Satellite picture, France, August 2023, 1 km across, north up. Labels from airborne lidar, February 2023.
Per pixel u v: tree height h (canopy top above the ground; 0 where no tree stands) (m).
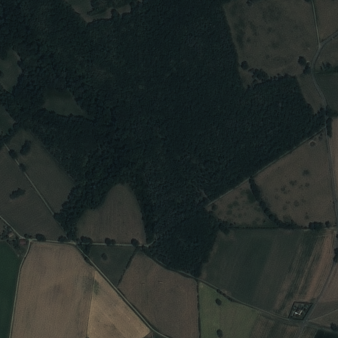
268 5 0
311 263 0
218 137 17
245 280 0
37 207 0
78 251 0
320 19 0
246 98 20
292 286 0
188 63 16
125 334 0
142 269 0
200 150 21
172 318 0
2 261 0
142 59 19
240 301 0
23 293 0
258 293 0
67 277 0
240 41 0
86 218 0
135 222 0
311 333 0
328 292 0
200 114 23
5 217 0
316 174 0
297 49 0
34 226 0
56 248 0
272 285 0
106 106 32
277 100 13
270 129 16
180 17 19
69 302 0
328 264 0
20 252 0
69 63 23
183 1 24
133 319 0
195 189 19
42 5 17
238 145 23
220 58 18
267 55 0
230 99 20
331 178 0
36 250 0
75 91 31
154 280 0
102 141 24
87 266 0
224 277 0
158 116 21
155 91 21
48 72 27
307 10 0
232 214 0
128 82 23
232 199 0
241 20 0
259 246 0
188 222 20
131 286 0
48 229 0
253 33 0
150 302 0
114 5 17
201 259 16
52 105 0
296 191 0
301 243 0
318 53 0
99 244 0
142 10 20
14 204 0
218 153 20
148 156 25
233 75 17
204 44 19
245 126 20
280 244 0
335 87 0
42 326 0
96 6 22
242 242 0
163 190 23
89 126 24
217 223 18
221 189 20
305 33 0
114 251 0
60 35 19
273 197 0
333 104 0
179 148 19
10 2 28
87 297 0
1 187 0
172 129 23
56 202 0
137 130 22
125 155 31
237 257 0
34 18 28
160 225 22
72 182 0
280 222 11
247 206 0
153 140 24
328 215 0
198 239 20
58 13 17
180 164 24
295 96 15
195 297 0
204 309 0
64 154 20
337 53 0
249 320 0
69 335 0
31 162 0
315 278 0
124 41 21
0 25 25
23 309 0
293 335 0
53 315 0
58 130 21
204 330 0
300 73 0
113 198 0
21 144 0
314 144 0
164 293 0
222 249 0
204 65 17
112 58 22
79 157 21
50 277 0
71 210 21
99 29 20
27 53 27
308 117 16
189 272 12
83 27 23
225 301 0
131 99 22
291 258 0
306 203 0
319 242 0
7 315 0
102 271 0
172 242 20
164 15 17
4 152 0
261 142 22
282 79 21
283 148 23
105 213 0
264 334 0
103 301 0
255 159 18
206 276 0
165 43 17
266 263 0
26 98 25
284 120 18
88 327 0
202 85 21
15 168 0
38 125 22
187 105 21
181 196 24
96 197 27
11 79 0
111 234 0
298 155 0
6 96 18
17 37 32
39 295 0
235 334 0
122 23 20
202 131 22
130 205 0
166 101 24
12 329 0
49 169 0
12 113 22
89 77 28
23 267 0
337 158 0
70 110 0
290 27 0
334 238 0
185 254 18
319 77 0
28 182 0
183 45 16
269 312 0
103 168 27
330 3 0
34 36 33
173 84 21
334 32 0
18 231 0
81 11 0
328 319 0
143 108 25
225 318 0
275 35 0
